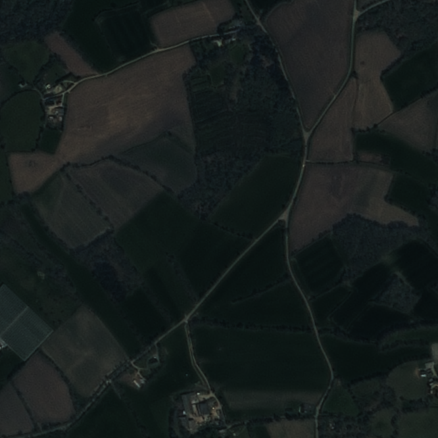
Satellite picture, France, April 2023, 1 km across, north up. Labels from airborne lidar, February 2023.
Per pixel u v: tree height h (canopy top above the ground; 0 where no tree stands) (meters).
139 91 0
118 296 23
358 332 0
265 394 0
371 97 0
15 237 0
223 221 0
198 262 0
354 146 0
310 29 0
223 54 22
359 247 17
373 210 0
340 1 0
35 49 0
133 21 0
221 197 15
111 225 7
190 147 0
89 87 0
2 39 19
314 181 0
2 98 0
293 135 0
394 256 0
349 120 0
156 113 0
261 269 0
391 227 16
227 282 0
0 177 0
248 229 0
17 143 0
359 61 0
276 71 21
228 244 0
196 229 0
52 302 0
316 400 0
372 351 0
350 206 0
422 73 0
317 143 0
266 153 12
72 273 0
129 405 11
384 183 0
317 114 0
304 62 0
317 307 0
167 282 0
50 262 10
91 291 0
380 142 0
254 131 0
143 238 0
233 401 0
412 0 13
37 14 15
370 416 13
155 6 0
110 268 19
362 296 0
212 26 0
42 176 0
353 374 0
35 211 11
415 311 0
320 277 0
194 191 14
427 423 0
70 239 0
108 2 0
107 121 0
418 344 12
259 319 0
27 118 0
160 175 0
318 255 0
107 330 0
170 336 0
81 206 0
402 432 0
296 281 0
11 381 10
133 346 0
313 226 0
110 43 0
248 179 0
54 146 0
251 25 11
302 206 0
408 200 0
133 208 0
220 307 0
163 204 0
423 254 0
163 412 0
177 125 0
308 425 0
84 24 0
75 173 0
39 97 0
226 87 16
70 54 0
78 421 10
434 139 0
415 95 0
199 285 0
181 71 0
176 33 0
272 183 0
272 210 0
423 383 0
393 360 0
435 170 0
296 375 0
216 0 0
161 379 0
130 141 0
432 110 0
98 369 0
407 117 0
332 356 0
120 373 10
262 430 0
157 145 0
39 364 0
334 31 0
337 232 16
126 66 0
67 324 0
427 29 14
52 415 0
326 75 0
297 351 0
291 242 0
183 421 0
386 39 0
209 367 0
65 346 0
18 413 0
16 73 11
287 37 0
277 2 7
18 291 0
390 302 10
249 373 0
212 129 0
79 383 0
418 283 0
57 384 0
